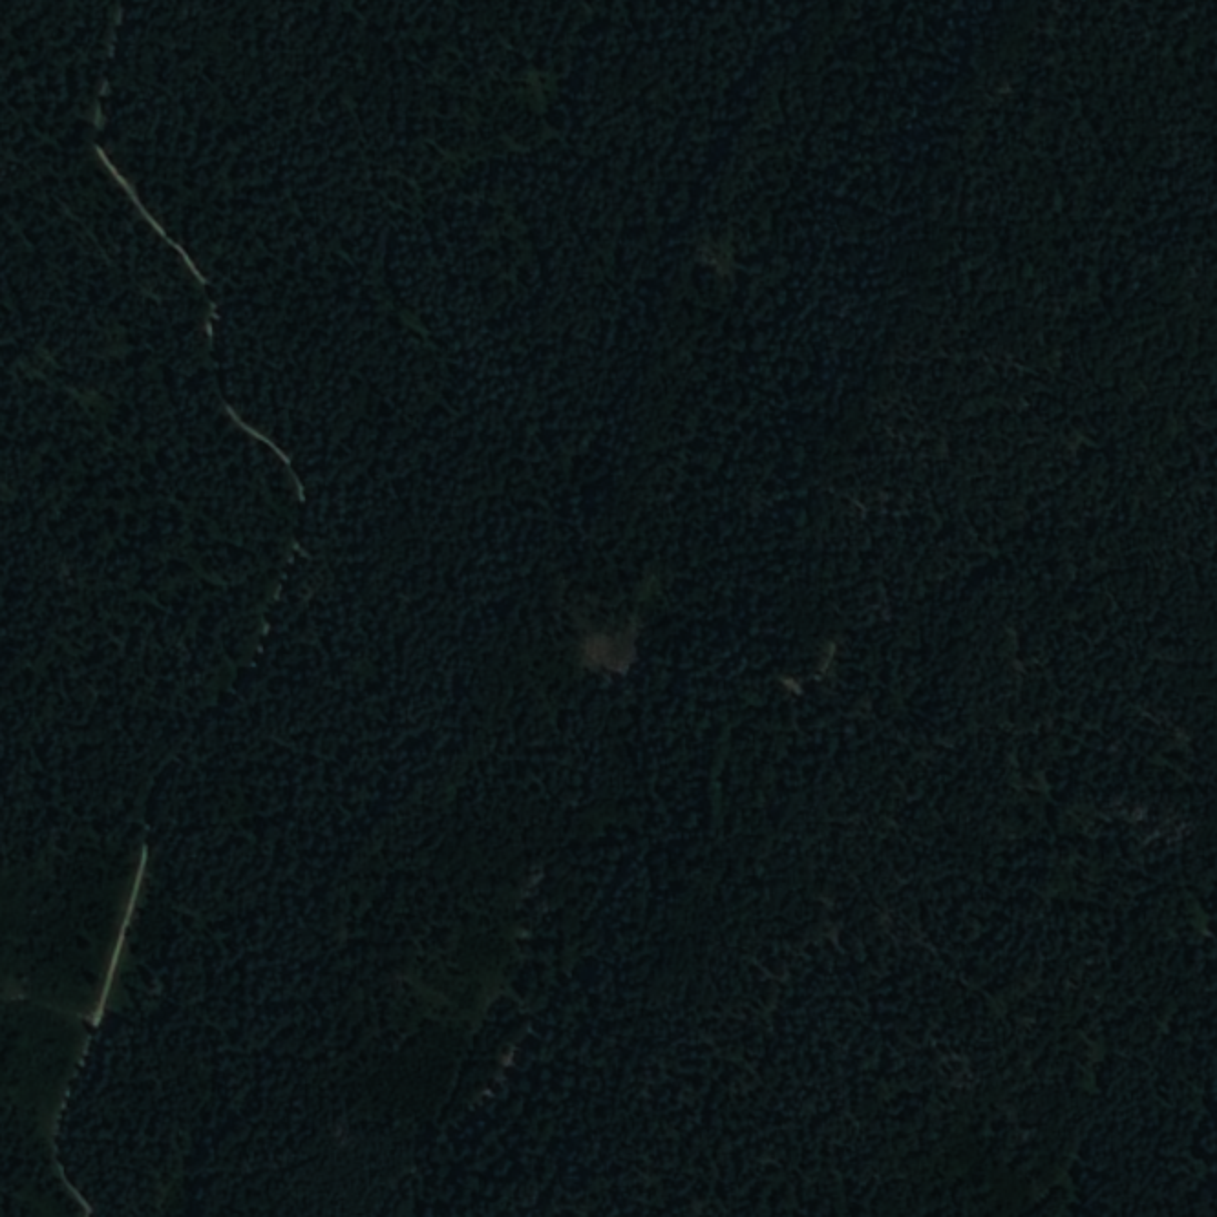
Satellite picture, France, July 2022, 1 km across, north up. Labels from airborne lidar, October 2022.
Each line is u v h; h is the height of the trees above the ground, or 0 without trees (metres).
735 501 31
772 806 8
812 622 24
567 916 28
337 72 26
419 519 27
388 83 23
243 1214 19
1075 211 17
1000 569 34
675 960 25
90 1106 24
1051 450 14
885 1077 22
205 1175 35
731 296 9
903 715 7
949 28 25
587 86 32
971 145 15
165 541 29
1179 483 19
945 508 24
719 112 30
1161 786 24
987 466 16
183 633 30
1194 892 21
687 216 20
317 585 22
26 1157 14
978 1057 21
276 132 34
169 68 31
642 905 26
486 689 27
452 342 39
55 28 24
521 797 26
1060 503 24
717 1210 16
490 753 8
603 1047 29
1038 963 22
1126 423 16
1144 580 14
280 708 25
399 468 29
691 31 33
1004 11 30
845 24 23
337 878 21
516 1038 29
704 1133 26
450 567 30
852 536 23
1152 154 13
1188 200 22
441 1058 9
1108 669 26
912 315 14
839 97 29
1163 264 14
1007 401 23
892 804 21
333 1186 22
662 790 13
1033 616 19
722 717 29
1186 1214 28
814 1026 7
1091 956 20
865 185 28
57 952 14
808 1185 30
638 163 31
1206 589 19
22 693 20
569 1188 18
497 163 13
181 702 31
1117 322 14
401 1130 24
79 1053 0
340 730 23
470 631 25
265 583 12
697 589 32
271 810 34
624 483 31
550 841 13
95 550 29
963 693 17
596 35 33
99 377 32
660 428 21
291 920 37
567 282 26
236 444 22
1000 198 16
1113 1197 38
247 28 22
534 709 26
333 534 34
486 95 17
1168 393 18
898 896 24
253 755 28
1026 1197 7
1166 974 29
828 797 18
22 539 24
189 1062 24
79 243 22
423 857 30
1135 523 20
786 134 25
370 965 25
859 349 23
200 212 21
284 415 26
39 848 22
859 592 26
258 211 33
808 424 30
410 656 33
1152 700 25
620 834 22
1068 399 27
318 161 25
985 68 22
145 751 34
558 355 33
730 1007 24
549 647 17
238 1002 24
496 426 30
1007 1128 27
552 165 10
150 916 12
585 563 28
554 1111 27
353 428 29
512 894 32
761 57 9
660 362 22
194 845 24
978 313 26
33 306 31
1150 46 16
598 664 0
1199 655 18
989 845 26
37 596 24
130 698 23
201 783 25
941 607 21
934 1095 23
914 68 29
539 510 34
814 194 20
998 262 18
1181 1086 32
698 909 30
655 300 34
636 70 27
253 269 24
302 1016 33
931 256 22
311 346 28
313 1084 16
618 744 11
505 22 30
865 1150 17
